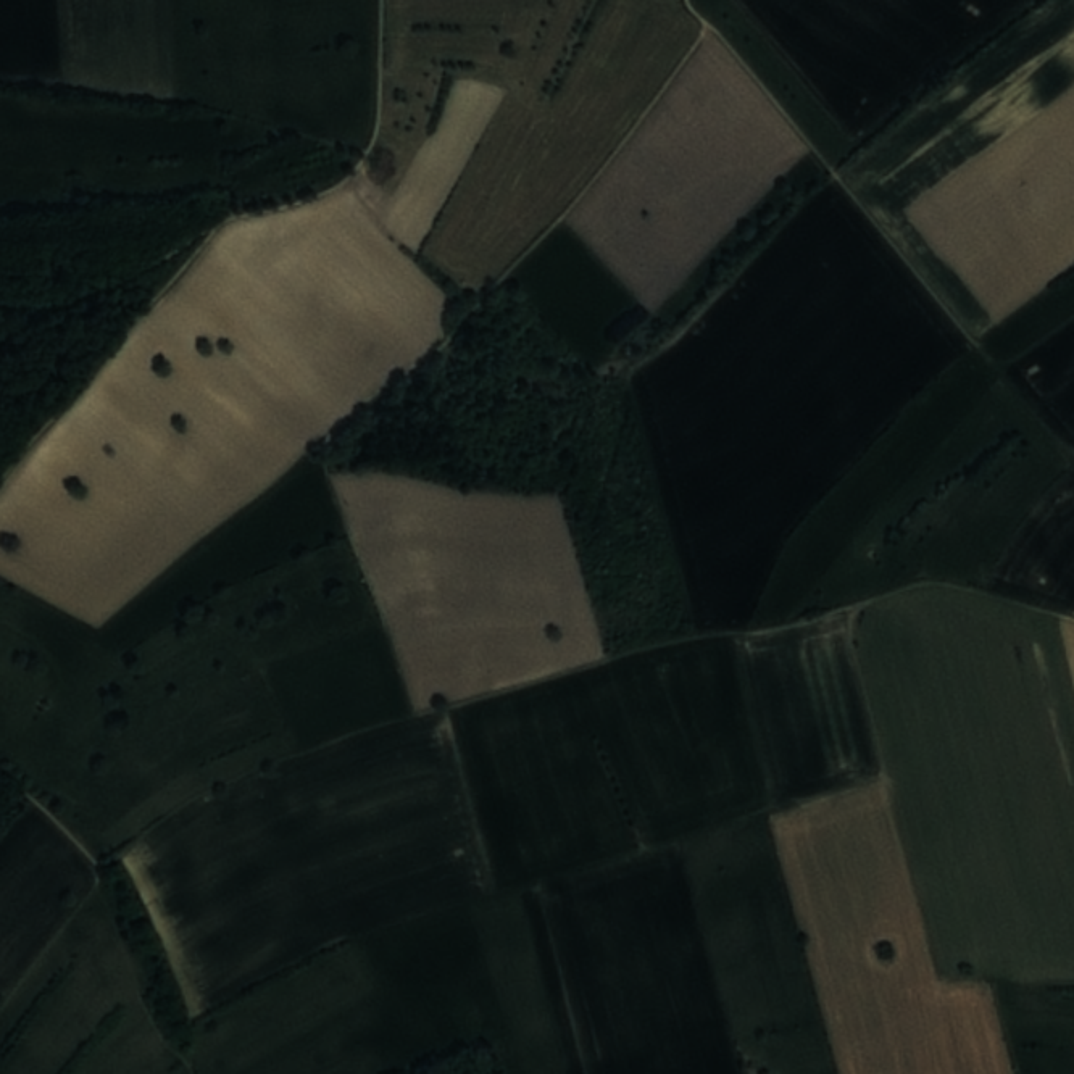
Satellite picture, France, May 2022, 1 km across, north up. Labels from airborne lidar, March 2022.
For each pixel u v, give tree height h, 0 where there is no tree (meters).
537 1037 0
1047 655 0
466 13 0
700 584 0
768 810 0
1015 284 0
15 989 0
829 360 0
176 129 0
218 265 0
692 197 0
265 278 0
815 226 0
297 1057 0
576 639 0
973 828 0
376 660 0
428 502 0
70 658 0
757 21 0
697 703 0
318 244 0
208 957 0
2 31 0
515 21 0
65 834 0
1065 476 0
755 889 0
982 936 0
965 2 0
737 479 0
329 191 0
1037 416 0
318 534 0
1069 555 0
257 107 0
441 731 0
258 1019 0
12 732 0
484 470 11
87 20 0
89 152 0
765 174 0
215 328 0
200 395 0
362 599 0
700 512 0
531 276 0
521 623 0
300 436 0
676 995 0
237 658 0
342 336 0
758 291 0
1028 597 0
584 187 0
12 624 0
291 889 0
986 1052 0
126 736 0
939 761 0
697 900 0
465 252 0
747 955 0
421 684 0
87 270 24
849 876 0
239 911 0
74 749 0
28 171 0
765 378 0
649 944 0
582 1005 0
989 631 0
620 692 0
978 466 8
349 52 11
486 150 0
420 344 0
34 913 0
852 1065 0
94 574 0
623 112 0
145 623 0
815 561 0
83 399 0
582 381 14
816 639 0
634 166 0
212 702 0
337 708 0
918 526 0
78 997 0
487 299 16
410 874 0
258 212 14
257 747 0
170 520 0
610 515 5
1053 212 0
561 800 0
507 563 0
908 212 0
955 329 0
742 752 0
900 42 0
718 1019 0
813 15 0
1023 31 0
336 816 0
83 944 0
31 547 0
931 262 0
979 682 0
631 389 0
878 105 0
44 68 0
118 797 0
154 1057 0
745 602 0
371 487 0
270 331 0
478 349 7
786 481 0
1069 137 0
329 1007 0
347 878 0
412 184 0
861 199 0
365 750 0
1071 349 0
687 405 0
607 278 0
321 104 0
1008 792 0
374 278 0
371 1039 0
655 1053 0
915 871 0
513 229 0
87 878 0
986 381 0
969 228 0
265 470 0
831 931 0
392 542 0
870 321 0
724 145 0
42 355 36
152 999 6
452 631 0
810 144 0
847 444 0
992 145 0
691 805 0
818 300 0
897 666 0
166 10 0
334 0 0
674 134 0
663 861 0
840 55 0
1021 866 0
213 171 0
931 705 0
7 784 16
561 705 0
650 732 0
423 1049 0
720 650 0
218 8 0
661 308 0
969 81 0
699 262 0
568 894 0
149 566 0
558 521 0
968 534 0
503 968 0
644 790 0
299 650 0
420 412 23
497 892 0
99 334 32
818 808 0
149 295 12
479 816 0
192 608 16
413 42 0
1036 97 0
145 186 0
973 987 0
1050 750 0
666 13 0
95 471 0
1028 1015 0
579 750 0
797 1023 0
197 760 0
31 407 24
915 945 0
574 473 19
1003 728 0
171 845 0
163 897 0
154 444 0
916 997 0
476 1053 18
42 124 0
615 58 0
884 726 0
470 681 0
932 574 0
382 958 0
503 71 0
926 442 0
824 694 0
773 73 0
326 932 0
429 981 0
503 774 0
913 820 0
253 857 0
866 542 0
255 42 0
